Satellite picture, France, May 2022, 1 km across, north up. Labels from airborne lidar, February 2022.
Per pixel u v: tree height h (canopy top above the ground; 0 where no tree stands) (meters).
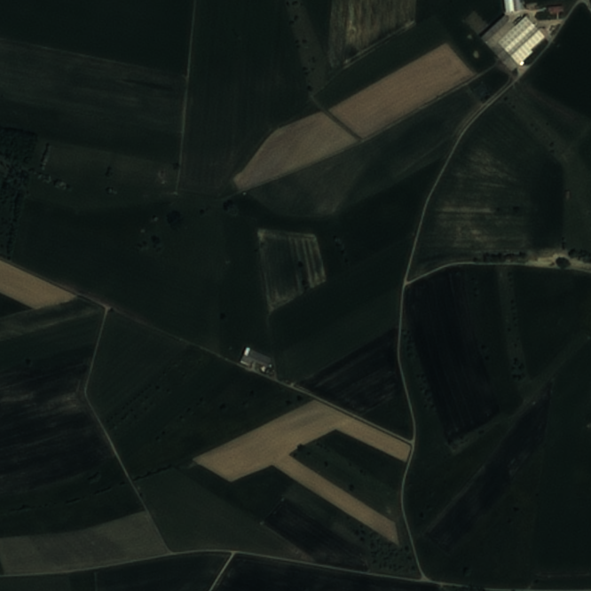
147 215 0
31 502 0
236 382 0
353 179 0
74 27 0
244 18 0
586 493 0
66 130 0
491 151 0
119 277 0
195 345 0
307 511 0
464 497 0
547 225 0
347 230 0
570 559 0
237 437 0
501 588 0
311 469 0
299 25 0
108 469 0
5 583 0
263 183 0
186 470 0
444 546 0
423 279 0
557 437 0
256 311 0
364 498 0
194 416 0
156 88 0
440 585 0
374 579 0
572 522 0
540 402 0
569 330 0
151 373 0
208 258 0
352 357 0
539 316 0
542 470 0
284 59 0
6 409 0
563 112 0
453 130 0
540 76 0
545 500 0
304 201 0
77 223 0
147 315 0
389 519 0
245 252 0
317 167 0
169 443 0
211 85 0
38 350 0
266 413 0
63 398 0
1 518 0
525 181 0
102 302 0
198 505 0
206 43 0
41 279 0
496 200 0
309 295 0
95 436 0
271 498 0
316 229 0
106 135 0
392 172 0
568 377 0
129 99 0
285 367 0
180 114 0
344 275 0
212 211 0
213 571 0
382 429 0
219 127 0
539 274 0
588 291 0
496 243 0
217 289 0
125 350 0
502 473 0
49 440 0
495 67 0
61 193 0
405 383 0
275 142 0
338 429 0
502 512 0
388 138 0
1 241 0
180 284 0
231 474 0
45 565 0
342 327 0
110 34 0
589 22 0
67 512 0
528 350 0
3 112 0
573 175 0
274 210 0
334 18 0
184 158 0
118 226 0
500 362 0
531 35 0
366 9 0
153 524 0
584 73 0
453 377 0
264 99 0
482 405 0
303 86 0
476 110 0
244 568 0
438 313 0
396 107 0
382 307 0
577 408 0
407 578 0
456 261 0
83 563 0
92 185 0
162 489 0
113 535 0
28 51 0
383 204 0
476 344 0
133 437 0
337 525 0
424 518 9
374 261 0
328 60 0
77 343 0
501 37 0
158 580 0
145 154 0
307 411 0
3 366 0
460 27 0
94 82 0
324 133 0
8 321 0
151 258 0
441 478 0
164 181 0
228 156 0
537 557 0
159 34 0
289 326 0
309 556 0
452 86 0
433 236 0
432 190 0
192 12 0
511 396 0
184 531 0
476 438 0
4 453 0
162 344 0
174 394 0
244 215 0
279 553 0
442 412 0
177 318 0
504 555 0
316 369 0
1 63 0
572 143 0
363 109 0
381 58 0
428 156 0
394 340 0
